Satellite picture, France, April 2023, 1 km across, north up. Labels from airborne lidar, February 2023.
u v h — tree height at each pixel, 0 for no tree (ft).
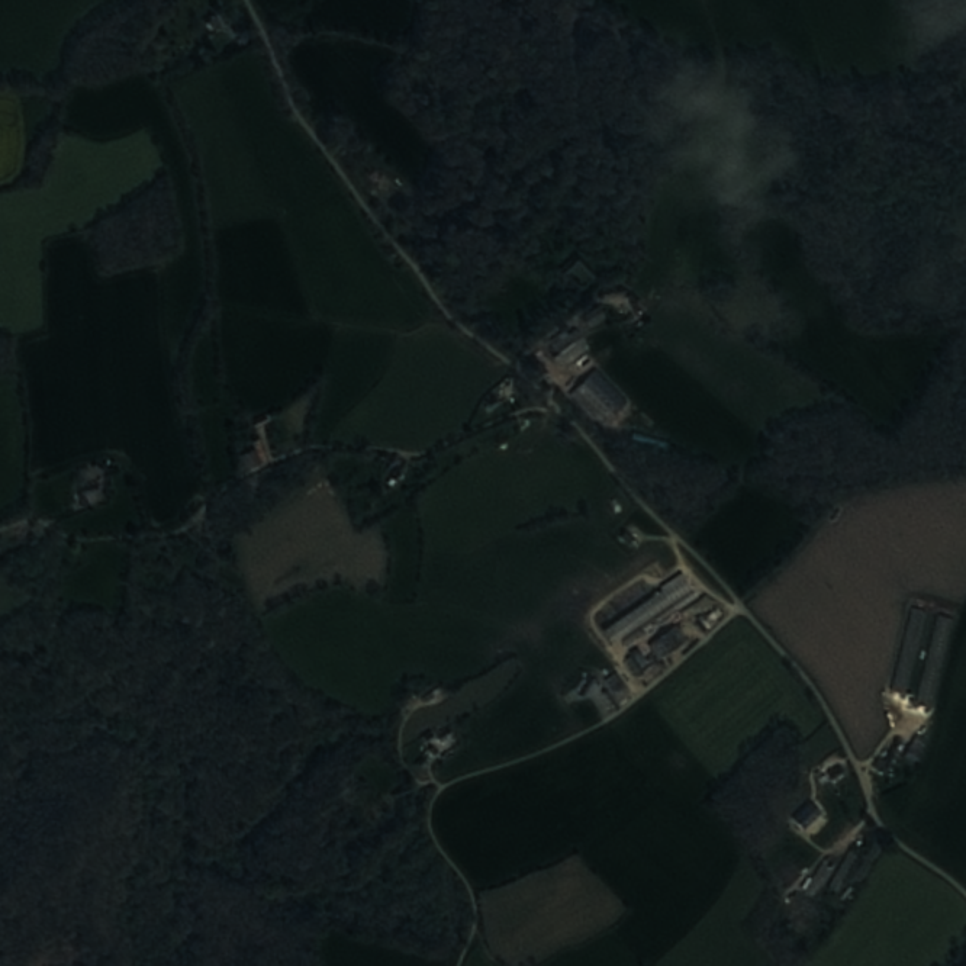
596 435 48
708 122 0
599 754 0
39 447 0
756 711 0
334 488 49
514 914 0
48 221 0
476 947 0
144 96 0
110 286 0
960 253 44
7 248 0
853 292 63
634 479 59
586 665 0
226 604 46
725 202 48
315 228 0
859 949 0
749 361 0
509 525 0
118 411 0
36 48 0
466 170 97
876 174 52
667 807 0
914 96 66
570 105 95
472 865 0
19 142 0
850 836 0
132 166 0
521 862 0
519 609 0
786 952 49
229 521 47
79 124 0
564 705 0
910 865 0
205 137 0
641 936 0
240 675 59
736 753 0
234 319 0
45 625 70
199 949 79
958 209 57
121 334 0
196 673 68
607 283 53
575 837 0
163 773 51
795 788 51
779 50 0
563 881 0
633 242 76
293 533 0
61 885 59
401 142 0
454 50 68
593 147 108
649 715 0
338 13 0
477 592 0
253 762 59
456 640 0
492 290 59
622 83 108
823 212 67
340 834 20
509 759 0
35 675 76
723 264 0
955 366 65
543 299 0
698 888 0
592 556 0
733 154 0
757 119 65
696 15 0
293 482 39
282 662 26
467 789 0
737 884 0
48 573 36
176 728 73
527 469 0
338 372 0
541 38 106
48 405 0
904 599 0
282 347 0
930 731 0
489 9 92
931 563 0
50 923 69
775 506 0
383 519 27
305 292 0
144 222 52
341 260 0
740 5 0
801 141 74
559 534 0
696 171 0
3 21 0
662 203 0
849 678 0
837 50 0
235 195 0
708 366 0
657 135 101
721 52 0
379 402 0
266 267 0
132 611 60
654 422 0
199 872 66
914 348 0
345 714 27
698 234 0
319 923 72
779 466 62
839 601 0
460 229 88
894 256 81
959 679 0
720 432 0
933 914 0
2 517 35
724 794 48
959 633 0
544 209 86
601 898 0
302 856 83
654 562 0
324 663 0
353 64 0
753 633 0
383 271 0
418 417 0
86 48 57
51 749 68
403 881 23
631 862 0
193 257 0
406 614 0
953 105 79
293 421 0
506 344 64
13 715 97
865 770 0
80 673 78
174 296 0
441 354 0
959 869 0
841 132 100
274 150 0
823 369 0
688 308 0
